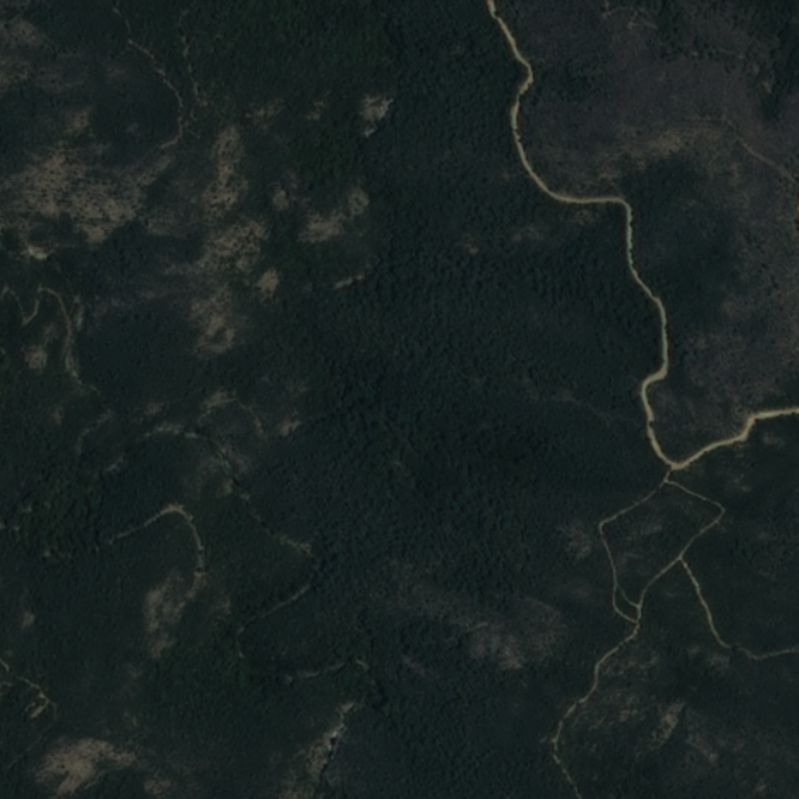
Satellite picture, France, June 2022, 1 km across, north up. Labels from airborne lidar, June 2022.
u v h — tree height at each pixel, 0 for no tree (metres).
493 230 11
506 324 7
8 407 6
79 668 8
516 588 11
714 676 7
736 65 7
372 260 7
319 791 8
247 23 9
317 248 10
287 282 11
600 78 8
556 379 12
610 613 6
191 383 13
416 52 11
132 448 10
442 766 6
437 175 10
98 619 6
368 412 11
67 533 7
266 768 9
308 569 7
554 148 8
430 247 12
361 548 6
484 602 9
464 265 21
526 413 9
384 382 17
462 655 15
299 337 19
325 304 8
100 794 11
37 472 9
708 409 0
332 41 15
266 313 7
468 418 12
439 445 10
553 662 8
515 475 11
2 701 7
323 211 6
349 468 11
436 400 8
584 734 6
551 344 8
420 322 9
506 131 9
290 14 8
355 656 16
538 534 6
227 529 6
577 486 9
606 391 9
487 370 14
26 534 15
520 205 8
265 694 12
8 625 7
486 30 9
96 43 5
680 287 8
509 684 8
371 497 11
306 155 13
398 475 14
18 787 14
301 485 7
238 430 0
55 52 6
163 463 7
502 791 7
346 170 12
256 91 6
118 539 8
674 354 9
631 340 7
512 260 10
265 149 7
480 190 9
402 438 15
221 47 13
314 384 11
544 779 10
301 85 6
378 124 10
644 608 5
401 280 10
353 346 6
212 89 12
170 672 11
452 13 9
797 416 7
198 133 7
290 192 13
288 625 7
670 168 7
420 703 8
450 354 16
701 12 8
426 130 7
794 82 9
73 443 9
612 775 6
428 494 15
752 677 0
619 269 8
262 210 6
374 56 11
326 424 12
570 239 9
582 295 14
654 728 10
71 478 18
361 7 12
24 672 8
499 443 14
